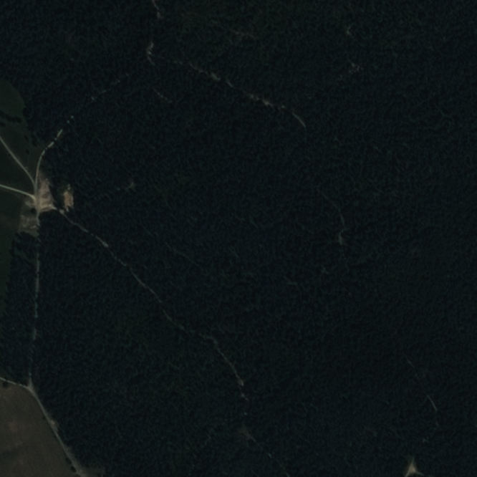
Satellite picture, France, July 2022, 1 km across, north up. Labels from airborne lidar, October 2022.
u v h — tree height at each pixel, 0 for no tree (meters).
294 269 19
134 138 18
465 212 16
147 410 17
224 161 27
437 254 18
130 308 25
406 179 25
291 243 21
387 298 18
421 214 22
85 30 32
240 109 22
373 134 24
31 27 31
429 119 17
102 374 7
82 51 16
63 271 16
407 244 29
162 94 21
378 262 28
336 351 25
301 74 14
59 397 23
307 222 28
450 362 21
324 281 13
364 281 24
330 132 23
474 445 26
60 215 27
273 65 22
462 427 14
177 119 25
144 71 23
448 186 9
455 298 19
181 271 23
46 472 0
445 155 11
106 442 27
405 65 15
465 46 11
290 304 22
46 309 20
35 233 0
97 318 22
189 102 22
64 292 24
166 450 16
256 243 19
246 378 13
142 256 21
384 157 22
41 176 0
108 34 22
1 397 0
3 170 0
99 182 16
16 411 0
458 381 14
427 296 13
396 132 16
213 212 12
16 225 0
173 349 7
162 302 22
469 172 23
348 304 19
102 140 17
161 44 20
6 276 0
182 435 23
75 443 16
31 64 30
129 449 25
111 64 22
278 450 23
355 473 19
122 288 19
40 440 0
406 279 24
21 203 0
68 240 31
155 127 22
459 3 28
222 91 24
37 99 19
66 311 27
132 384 20
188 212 19
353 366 22
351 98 22
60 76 21
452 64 25
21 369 21
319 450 24
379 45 30
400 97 25
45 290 32
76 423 21
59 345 26
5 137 0
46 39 31
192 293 23
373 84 33
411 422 21
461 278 15
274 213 26
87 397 19
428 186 19
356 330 21
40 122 32
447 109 23
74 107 27
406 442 12
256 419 23
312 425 21
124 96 19
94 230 10
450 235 22
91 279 21
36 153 0
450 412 21
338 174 21
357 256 26
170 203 9
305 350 16
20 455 0
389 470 25
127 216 28
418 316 20
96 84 25
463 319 26
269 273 24
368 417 21
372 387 28
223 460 22
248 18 10
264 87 22
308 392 17
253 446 17
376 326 19
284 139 25
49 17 20
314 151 25
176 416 15
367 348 21
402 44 18
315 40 22
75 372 20
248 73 19
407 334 18
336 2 29
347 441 14
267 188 29
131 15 7
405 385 26
